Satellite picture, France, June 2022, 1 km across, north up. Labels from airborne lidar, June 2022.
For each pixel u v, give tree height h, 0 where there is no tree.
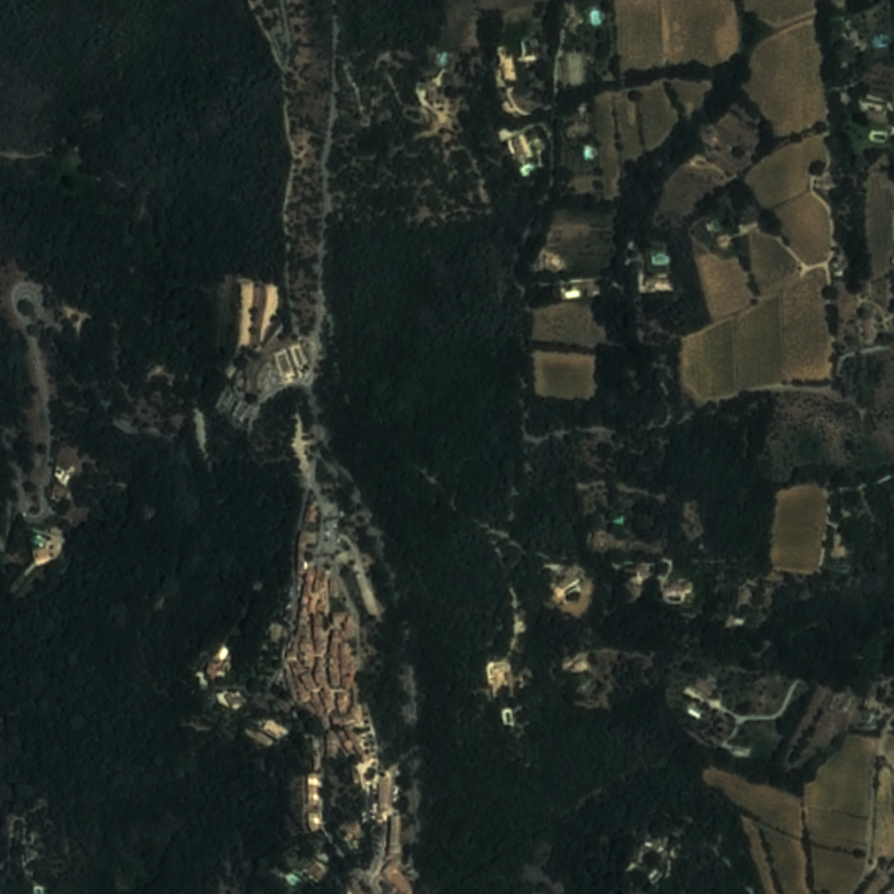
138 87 6
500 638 10
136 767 11
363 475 14
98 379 12
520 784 9
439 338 11
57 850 10
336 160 10
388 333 8
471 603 12
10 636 12
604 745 7
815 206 0
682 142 11
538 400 6
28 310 13
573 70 0
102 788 11
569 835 11
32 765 10
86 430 7
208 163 6
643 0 0
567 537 18
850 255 8
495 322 13
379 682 8
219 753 13
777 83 0
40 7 9
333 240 12
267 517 14
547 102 10
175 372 12
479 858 11
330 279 8
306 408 9
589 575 7
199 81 11
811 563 0
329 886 11
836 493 8
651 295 8
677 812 11
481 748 11
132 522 19
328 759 9
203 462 10
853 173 7
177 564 12
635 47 0
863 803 0
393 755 11
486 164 14
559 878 23
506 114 6
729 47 0
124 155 13
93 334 14
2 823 9
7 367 11
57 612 14
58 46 7
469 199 8
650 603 18
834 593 6
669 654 6
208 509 16
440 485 12
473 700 10
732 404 9
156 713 11
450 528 15
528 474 7
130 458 8
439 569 11
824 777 0
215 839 9
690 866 13
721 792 9
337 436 10
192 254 16
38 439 0
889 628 12
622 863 16
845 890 0
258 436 8
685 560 8
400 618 19
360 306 9
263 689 7
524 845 8
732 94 16
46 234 8
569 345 10
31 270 8
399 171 13
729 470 10
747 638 14
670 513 6
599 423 8
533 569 11
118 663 8
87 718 10
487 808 13
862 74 6
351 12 12
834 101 6
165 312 15
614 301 14
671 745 13
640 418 9
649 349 17
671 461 11
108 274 8
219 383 13
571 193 8
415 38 10
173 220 13
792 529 0
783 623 12
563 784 7
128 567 15
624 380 13
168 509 16
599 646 9
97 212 12
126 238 15
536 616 11
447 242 15
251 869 8
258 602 16
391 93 9
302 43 6
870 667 13
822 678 12
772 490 12
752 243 0
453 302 14
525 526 11
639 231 8
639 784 9
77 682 9
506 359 12
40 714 15
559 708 6
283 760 11
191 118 7
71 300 14
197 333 14
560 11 10
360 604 7
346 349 12
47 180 11
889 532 9
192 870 9
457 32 0
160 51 10
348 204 8
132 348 10
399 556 15
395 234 8
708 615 9
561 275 12
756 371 0
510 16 0
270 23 12
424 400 11
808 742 12
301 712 7
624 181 12
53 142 7
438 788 12
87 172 9
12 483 9
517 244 14
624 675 9
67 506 10
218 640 12
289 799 11
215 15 6
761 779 12
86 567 11
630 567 7
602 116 0
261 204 6
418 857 11
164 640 11
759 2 0
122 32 8
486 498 8
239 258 10
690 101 0
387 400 14
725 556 6
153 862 7
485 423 8
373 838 7
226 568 20
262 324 0
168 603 10
